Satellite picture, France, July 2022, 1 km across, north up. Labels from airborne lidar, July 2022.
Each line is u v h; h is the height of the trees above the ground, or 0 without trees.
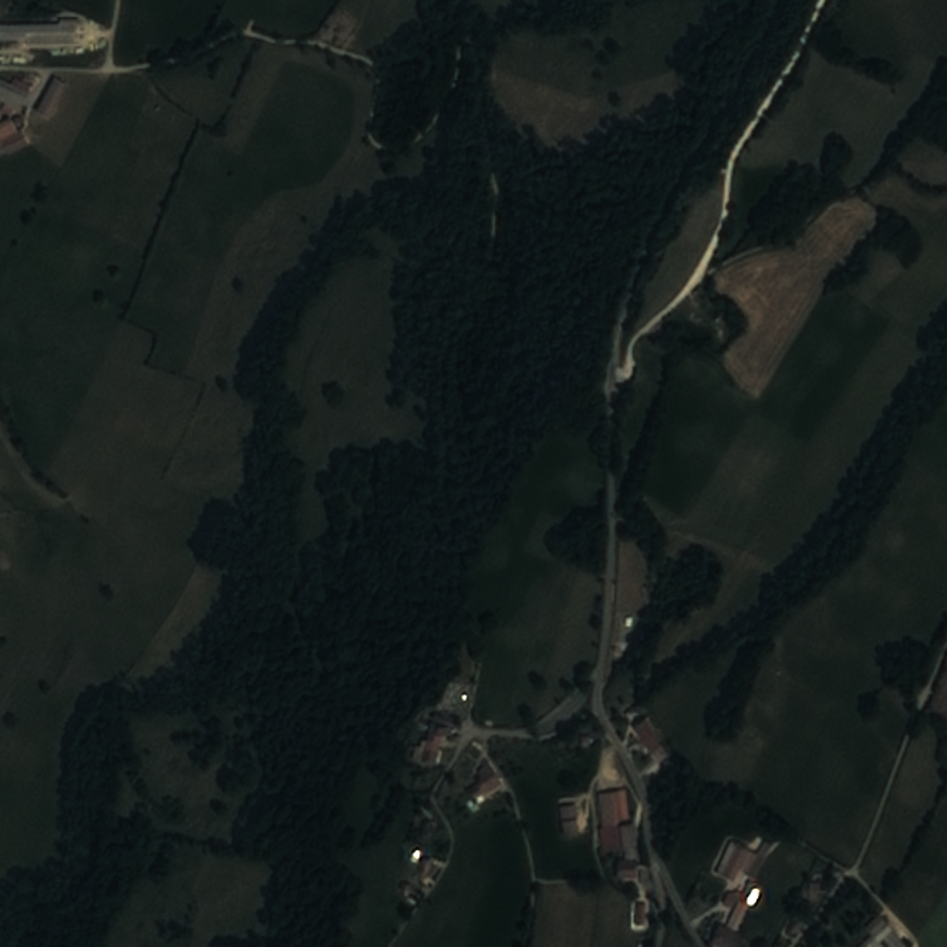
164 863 16
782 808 0
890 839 0
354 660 26
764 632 19
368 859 0
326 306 0
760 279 0
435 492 27
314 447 0
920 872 0
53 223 0
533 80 0
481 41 21
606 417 15
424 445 14
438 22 20
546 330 27
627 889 12
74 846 26
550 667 0
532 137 22
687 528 0
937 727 17
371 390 0
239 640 25
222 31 12
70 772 20
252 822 27
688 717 0
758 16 24
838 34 17
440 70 13
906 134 13
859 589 0
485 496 28
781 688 0
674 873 0
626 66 0
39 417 0
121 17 0
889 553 0
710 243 0
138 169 0
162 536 0
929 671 11
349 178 0
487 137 21
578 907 0
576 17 19
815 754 0
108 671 0
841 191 14
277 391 21
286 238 0
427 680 15
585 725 10
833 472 0
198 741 10
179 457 0
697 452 0
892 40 0
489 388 20
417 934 0
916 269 0
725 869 0
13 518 0
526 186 26
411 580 29
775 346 0
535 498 0
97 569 0
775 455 0
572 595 0
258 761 18
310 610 27
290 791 26
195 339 0
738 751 0
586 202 28
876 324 0
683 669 17
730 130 18
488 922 0
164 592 0
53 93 0
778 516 0
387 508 18
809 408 0
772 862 0
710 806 18
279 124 0
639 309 11
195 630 0
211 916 0
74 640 0
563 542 24
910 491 0
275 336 22
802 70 11
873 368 0
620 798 0
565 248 30
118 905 22
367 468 13
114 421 0
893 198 0
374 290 0
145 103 0
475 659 12
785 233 15
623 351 0
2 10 0
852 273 16
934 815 11
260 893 0
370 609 26
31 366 0
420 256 21
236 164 0
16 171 0
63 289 0
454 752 0
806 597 14
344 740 30
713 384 0
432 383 18
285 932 21
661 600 8
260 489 26
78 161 0
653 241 18
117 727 14
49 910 25
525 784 0
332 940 23
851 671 0
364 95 0
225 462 0
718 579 17
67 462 0
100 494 0
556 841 0
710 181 8
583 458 0
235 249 0
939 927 0
